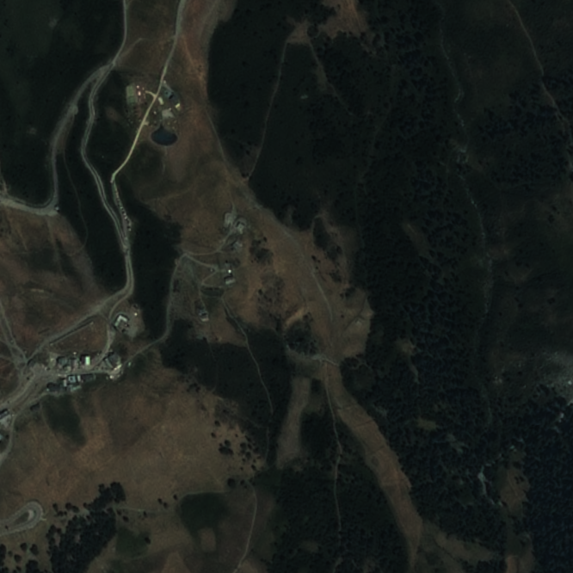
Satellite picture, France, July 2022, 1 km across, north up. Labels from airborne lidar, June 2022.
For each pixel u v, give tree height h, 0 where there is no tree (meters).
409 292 11
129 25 0
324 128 9
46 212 0
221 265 0
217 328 0
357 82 7
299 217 8
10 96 0
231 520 0
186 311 0
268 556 0
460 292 10
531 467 15
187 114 0
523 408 8
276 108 9
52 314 0
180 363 9
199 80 0
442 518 12
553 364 0
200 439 0
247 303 0
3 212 0
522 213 0
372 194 8
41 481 0
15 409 0
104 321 0
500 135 13
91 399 0
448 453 26
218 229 0
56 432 0
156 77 0
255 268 0
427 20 11
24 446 0
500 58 0
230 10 0
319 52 11
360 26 0
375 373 11
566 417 27
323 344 0
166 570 0
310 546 0
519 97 12
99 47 0
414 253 10
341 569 13
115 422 0
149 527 0
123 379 0
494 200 0
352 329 0
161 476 0
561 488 8
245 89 10
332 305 0
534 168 11
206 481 0
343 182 9
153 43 0
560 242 0
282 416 11
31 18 0
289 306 0
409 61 25
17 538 0
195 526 0
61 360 0
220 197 0
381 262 10
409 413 17
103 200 0
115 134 0
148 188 0
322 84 0
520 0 0
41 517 0
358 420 0
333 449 10
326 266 0
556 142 12
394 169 12
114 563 0
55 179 0
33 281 0
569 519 15
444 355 16
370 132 6
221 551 0
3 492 0
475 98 0
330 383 0
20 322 0
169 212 0
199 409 0
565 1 0
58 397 0
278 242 0
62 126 0
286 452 0
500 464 10
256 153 0
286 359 7
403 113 10
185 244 0
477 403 17
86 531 11
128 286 0
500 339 0
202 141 0
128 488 0
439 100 11
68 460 0
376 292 9
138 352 0
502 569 17
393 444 11
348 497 6
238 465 0
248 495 0
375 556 7
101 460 0
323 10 8
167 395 0
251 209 0
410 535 0
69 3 7
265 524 0
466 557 0
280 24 11
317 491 9
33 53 0
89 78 0
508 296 0
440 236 15
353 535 14
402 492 0
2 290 0
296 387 0
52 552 9
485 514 15
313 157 7
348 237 0
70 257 0
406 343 0
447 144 16
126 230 0
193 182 0
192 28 0
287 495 8
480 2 0
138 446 0
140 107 0
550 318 0
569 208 0
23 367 0
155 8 0
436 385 23
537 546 15
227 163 0
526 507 9
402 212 7
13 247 0
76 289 0
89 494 0
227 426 0
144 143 0
